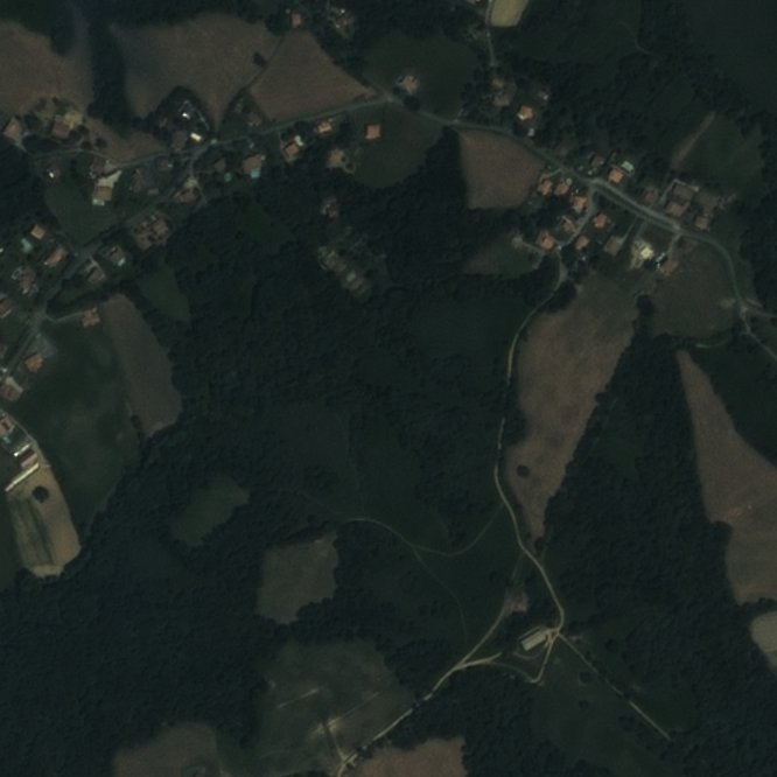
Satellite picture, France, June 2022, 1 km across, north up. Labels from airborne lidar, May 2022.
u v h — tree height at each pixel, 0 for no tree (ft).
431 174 36
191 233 66
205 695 71
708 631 101
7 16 0
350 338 70
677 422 60
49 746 77
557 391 0
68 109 0
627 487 52
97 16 31
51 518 0
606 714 0
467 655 0
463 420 31
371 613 35
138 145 0
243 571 50
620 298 0
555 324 0
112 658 72
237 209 47
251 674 62
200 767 0
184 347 75
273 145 0
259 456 22
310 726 0
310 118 0
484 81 30
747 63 0
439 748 0
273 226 25
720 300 0
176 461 67
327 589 0
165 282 0
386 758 0
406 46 0
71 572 54
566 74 41
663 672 37
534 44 0
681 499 68
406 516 0
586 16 30
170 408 0
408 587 21
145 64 0
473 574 0
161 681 78
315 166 74
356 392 63
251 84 0
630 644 32
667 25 51
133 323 0
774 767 95
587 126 67
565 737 0
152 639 77
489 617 0
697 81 51
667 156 0
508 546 0
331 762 0
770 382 21
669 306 0
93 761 73
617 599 53
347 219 41
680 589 71
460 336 0
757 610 20
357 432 46
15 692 80
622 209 19
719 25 0
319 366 61
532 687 30
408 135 0
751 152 0
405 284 59
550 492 0
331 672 0
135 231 21
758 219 62
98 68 20
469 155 0
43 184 46
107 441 0
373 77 0
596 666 31
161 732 39
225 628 51
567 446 0
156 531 33
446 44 0
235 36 0
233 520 48
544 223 65
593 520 56
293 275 58
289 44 0
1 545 0
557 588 0
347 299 51
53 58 0
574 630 41
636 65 63
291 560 0
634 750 0
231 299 66
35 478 0
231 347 26
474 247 56
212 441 54
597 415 32
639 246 0
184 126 37
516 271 0
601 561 62
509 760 63
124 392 0
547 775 77
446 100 0
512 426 33
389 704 0
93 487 0
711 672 71
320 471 21
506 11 0
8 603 84
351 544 50
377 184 0
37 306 28
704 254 0
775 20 0
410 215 89
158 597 37
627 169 0
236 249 75
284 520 37
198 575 41
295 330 52
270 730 0
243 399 73
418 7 62
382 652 42
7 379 0
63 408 0
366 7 78
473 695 72
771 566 0
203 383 75
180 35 0
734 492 0
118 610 77
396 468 0
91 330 0
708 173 0
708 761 57
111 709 78
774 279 44
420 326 0
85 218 0
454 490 21
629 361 23
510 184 0
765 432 0
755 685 60
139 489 71
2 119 0
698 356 26
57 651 72
